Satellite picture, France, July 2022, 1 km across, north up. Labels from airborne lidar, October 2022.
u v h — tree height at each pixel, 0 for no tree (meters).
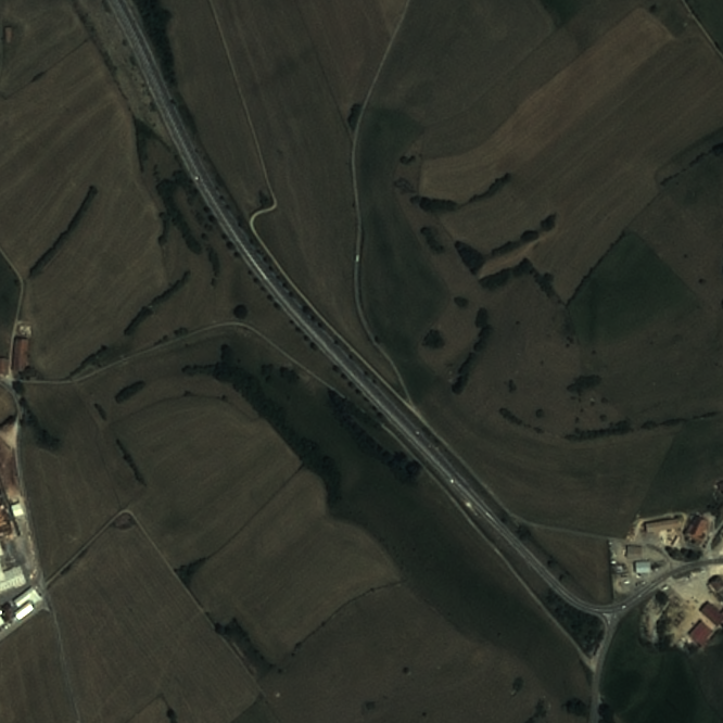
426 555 0
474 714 0
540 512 0
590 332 0
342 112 0
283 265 0
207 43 0
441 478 0
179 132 0
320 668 0
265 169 0
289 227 0
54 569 0
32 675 0
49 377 0
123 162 0
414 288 0
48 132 0
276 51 0
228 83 0
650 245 0
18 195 0
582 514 0
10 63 0
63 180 0
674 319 0
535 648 0
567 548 0
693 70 0
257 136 0
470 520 0
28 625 0
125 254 0
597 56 0
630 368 0
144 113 0
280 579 0
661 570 0
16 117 0
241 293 0
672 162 0
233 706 0
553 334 0
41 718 0
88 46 0
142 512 0
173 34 0
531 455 0
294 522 0
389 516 0
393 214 0
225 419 0
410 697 0
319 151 0
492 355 0
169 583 0
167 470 0
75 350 0
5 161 0
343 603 0
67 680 0
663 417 0
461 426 0
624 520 0
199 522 0
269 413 7
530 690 0
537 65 0
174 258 0
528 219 0
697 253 0
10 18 0
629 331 0
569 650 0
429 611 0
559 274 0
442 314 0
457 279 0
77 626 0
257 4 0
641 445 0
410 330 0
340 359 0
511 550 0
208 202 0
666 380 0
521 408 0
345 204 0
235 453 0
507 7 0
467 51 0
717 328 0
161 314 0
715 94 0
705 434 0
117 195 0
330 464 9
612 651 0
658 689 0
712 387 0
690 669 0
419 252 0
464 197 0
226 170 0
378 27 0
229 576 0
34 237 0
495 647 0
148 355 0
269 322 0
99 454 0
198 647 0
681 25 0
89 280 0
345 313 0
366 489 0
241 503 0
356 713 0
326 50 0
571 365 0
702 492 0
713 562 0
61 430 0
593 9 0
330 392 7
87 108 0
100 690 0
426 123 0
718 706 0
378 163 0
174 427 0
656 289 0
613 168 0
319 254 0
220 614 0
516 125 0
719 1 0
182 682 0
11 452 0
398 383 0
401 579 0
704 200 0
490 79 0
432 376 0
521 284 0
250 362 0
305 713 0
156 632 0
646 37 0
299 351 0
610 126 0
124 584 0
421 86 0
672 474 0
